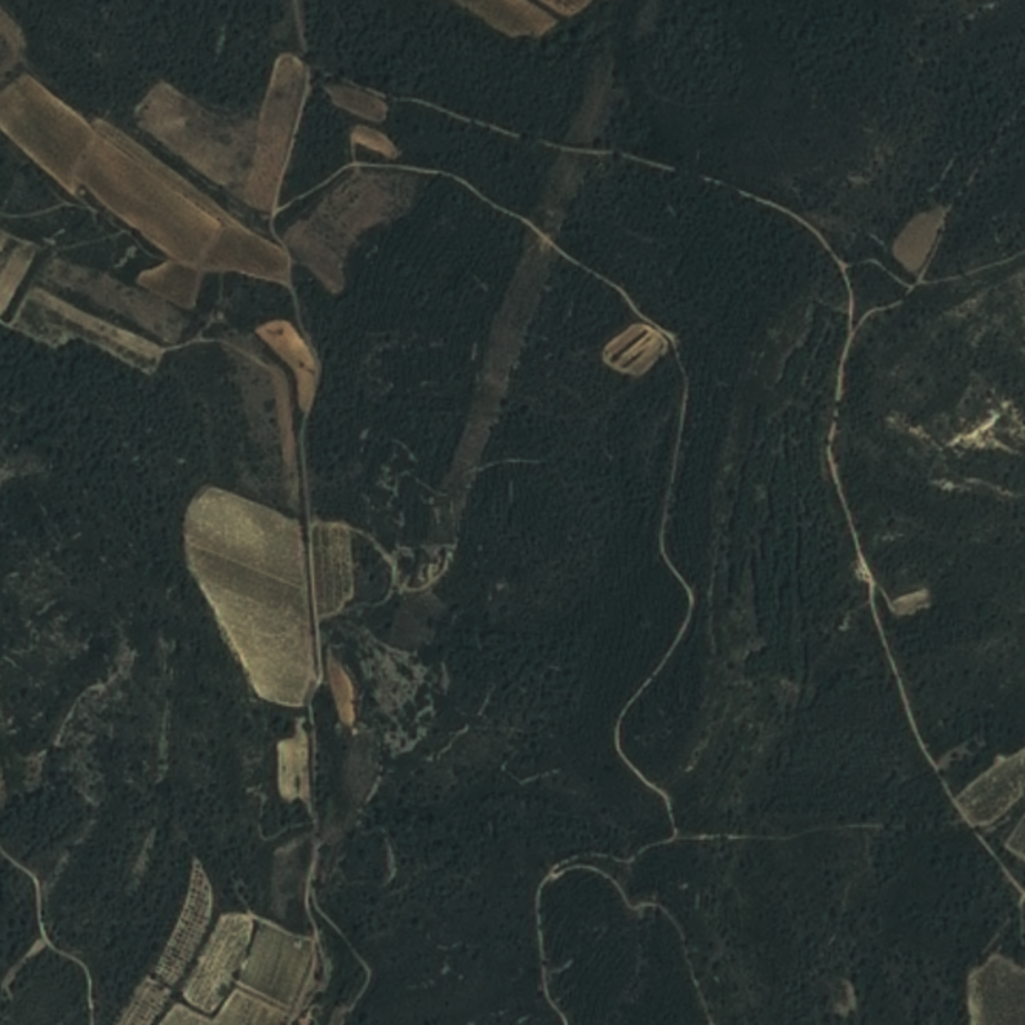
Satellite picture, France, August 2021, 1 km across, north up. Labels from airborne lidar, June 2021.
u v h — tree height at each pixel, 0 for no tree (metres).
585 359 7
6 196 0
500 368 0
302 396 0
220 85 6
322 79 12
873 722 7
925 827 7
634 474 7
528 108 7
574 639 10
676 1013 6
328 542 0
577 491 8
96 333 0
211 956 0
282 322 0
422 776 10
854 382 11
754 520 11
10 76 7
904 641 7
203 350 0
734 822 6
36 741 8
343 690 0
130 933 8
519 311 0
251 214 0
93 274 0
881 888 8
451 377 8
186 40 7
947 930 9
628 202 5
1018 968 0
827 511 11
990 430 0
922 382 10
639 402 7
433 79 7
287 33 0
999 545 10
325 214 0
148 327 0
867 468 8
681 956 6
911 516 7
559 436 9
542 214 0
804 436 11
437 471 7
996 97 7
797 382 10
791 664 14
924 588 0
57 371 11
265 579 0
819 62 7
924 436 0
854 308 0
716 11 8
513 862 0
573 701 8
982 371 12
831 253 7
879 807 7
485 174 7
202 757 9
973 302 0
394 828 9
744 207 7
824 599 14
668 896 8
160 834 10
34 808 11
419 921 8
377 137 0
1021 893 0
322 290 7
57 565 6
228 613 0
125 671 0
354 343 7
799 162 0
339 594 0
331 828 0
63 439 14
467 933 0
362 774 0
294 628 0
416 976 0
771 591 16
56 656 0
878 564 7
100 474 13
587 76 9
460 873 10
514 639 10
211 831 7
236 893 7
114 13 6
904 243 0
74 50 6
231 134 0
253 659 0
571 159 0
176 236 0
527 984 0
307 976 0
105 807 6
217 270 0
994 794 0
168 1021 0
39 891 0
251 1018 0
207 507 0
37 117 0
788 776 8
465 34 7
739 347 7
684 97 6
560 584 6
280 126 0
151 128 0
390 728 0
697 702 6
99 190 0
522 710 6
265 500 0
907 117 6
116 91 6
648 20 0
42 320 0
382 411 7
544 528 7
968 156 6
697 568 5
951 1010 11
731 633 0
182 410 8
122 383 12
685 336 8
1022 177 0
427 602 0
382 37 6
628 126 10
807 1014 10
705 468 7
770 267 9
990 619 7
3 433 9
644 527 7
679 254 7
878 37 11
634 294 6
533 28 0
